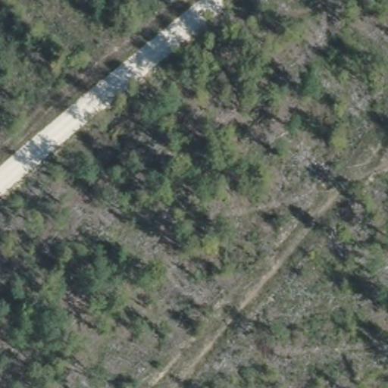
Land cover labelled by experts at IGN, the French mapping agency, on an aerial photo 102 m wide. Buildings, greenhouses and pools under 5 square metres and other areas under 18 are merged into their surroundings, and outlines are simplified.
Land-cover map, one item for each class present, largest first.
<instances>
[{"label":"coniferous trees","instance_id":"1","mask_svg":"<svg viewBox=\"0 0 388 388\"><path fill-rule=\"evenodd\" d=\"M200 0H0V165L8 161L24 142L32 139L36 133L56 120L62 112L76 105L77 100L95 88L100 80H105L112 71L121 67L129 56L135 55L136 48L144 47L147 42L162 33V30L170 29L174 18H179ZM85 126L80 127L67 141L56 144L55 149L48 153L47 158L42 159L36 170L29 168L26 176L15 183L6 196H0V388H71L68 386L67 377L70 370L67 365L77 364L80 361L77 355L85 349L80 347V333L77 330H70V324H73L74 320L99 335L105 333L109 336L111 330L117 332L118 327H126L130 333L129 341L132 343L135 339L142 341L155 333L158 336L156 349L164 347L165 341L173 333V326L170 321H164L158 326L152 323L149 317L129 308L132 300L138 305H150L152 299L147 293H156L158 285L167 282L168 265L161 259L142 262L141 259L124 252L117 242L91 235L88 230L80 227H77L76 232L71 230L67 226L71 215L70 209L65 208L58 197L48 192L55 182H65L79 189L83 202L94 208L106 209L121 223H129L149 236H158L159 244L165 247L168 255L185 253L189 262L196 264L199 271L192 273L183 264H177V268L185 274L186 279L194 283L203 280L211 282L215 274H221L223 279H230L236 273L249 271V267L258 264L259 259H267L270 270L262 274L258 283L239 302V308L223 306L224 314L232 318V323L226 327L223 335L206 353L205 358L196 365L191 376L185 379L182 388H388V0H233L232 5L220 9L217 17L203 21L200 29L192 33L189 41L180 42L176 52H171L167 58L153 65L147 76L139 79L129 77V89L123 94H118V97L112 95L109 108L105 111L88 112L85 115ZM176 303L180 311L171 309L168 315L189 335H196L202 339L212 321L218 318L214 314V308L203 303L199 305L191 297L177 293ZM89 388H147V382H136L132 377L123 374L114 376L105 370V367L94 364L83 370Z\"/></svg>","mask_w":388,"mask_h":388},{"label":"herbaceous vegetation","instance_id":"2","mask_svg":"<svg viewBox=\"0 0 388 388\"><path fill-rule=\"evenodd\" d=\"M48 192L58 197L65 208L70 209L71 215L67 226L71 230L76 232L77 227H80L88 230L91 235L117 242L124 252L141 259L142 262L161 259L168 265L167 282L158 285L156 293H147L152 299L150 305H138L132 300L129 308L149 317L152 323L158 326L164 321H170L173 326V333L165 341L164 347L156 349L158 336L155 333L142 341L135 339L132 343L129 341L130 333L126 327H118L117 332L111 330L109 336L105 333L99 335L74 320L73 324H70V330H77L80 333V347L85 349L77 355L80 361L77 364L67 365L70 370L67 377L68 386L71 388H89L83 370L94 364L105 367V370L114 376L123 374L132 377L136 382H147V388H182L185 379L191 376L196 365L205 358L206 353L223 335L226 327L232 323V318L224 314L223 306L239 308V302L258 283L262 274L270 270L267 259H259L258 264L249 267V271L236 273L230 279H223L221 274H215L211 282L203 280L194 283L186 279L185 274L177 268V264H183L192 273L199 271L196 264L189 262L185 253L168 255L165 247L159 244L158 236H149L129 223H121L106 209L94 208L83 202L79 189L65 182H55ZM177 293L191 297L199 305L203 303L214 308V314L218 318L212 321L202 339L196 335H189L168 315L171 309L180 311L176 303Z\"/></svg>","mask_w":388,"mask_h":388},{"label":"pervious surface","instance_id":"3","mask_svg":"<svg viewBox=\"0 0 388 388\"><path fill-rule=\"evenodd\" d=\"M233 0H200L179 18H174L170 29L162 30V33L147 42L144 47L136 48L135 55L129 56L121 67L112 71L105 80H100L95 88L77 100L76 105L62 112L56 120L36 133L32 139L24 142L8 161L0 165V196H6L15 183L26 176L29 168L36 170L42 159L47 158L48 153L55 149L56 144L67 141L80 127L85 126V115L88 112L105 111L109 108L112 95L118 97V94H123L129 89V77L139 79L147 76L153 65L167 58L171 52H176L180 42L189 41L192 33L200 29L203 21L217 17L220 9L232 5Z\"/></svg>","mask_w":388,"mask_h":388}]
</instances>
